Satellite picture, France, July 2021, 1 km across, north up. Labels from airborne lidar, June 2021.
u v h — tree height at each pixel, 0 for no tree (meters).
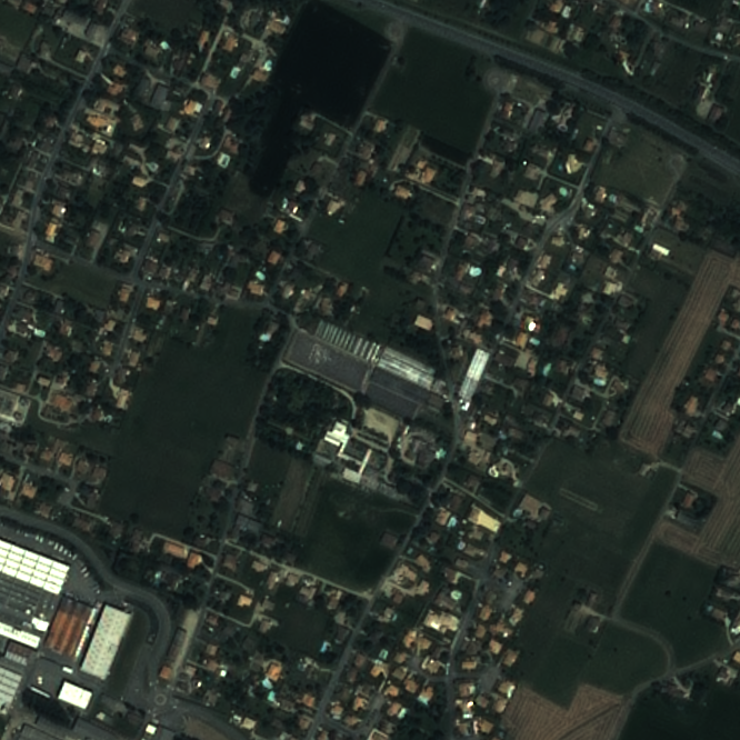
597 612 0
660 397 0
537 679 0
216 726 0
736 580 0
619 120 0
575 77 0
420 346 15
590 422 0
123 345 0
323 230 0
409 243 0
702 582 0
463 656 8
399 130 9
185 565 11
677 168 0
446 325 0
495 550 0
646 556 0
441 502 14
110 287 0
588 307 6
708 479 0
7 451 0
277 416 7
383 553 0
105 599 0
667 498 0
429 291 0
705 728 0
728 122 8
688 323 0
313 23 0
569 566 0
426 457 0
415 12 0
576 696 0
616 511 0
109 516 0
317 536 0
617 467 0
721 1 0
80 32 0
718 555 0
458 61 0
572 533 0
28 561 0
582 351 16
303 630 0
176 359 0
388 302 0
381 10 0
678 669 0
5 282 8
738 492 0
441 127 0
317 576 0
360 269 0
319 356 0
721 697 0
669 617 0
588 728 0
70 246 7
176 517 0
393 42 0
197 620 0
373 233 0
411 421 15
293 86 0
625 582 0
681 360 0
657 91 0
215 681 0
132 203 6
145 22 6
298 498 0
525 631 0
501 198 6
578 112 11
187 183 6
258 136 14
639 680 0
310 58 0
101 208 7
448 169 9
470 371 0
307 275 10
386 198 11
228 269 9
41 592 0
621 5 0
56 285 0
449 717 0
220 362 0
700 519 11
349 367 0
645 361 0
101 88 12
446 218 0
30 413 0
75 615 0
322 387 13
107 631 0
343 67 0
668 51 0
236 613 0
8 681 0
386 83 0
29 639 0
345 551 0
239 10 14
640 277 0
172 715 0
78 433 0
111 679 0
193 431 0
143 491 0
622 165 0
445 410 7
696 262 0
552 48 0
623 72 0
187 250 8
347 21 0
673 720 0
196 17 0
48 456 0
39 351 0
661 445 0
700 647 0
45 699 16
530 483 0
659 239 0
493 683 0
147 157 6
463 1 0
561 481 0
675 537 0
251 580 0
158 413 0
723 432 6
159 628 0
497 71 0
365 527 0
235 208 0
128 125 0
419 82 0
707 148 0
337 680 0
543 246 0
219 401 0
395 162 0
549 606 0
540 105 0
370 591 0
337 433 0
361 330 0
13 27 0
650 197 0
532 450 8
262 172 0
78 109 0
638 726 0
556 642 0
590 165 0
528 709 0
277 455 0
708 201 8
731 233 10
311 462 9
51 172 0
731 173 0
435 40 0
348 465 8
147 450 0
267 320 8
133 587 0
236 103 15
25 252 0
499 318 11
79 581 0
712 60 6
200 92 6
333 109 0
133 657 0
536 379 7
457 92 0
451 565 6
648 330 0
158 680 0
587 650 0
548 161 0
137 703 0
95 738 0
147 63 11
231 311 0
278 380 9
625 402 14
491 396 6
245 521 0
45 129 6
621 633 0
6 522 16
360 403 14
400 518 0
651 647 0
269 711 8
